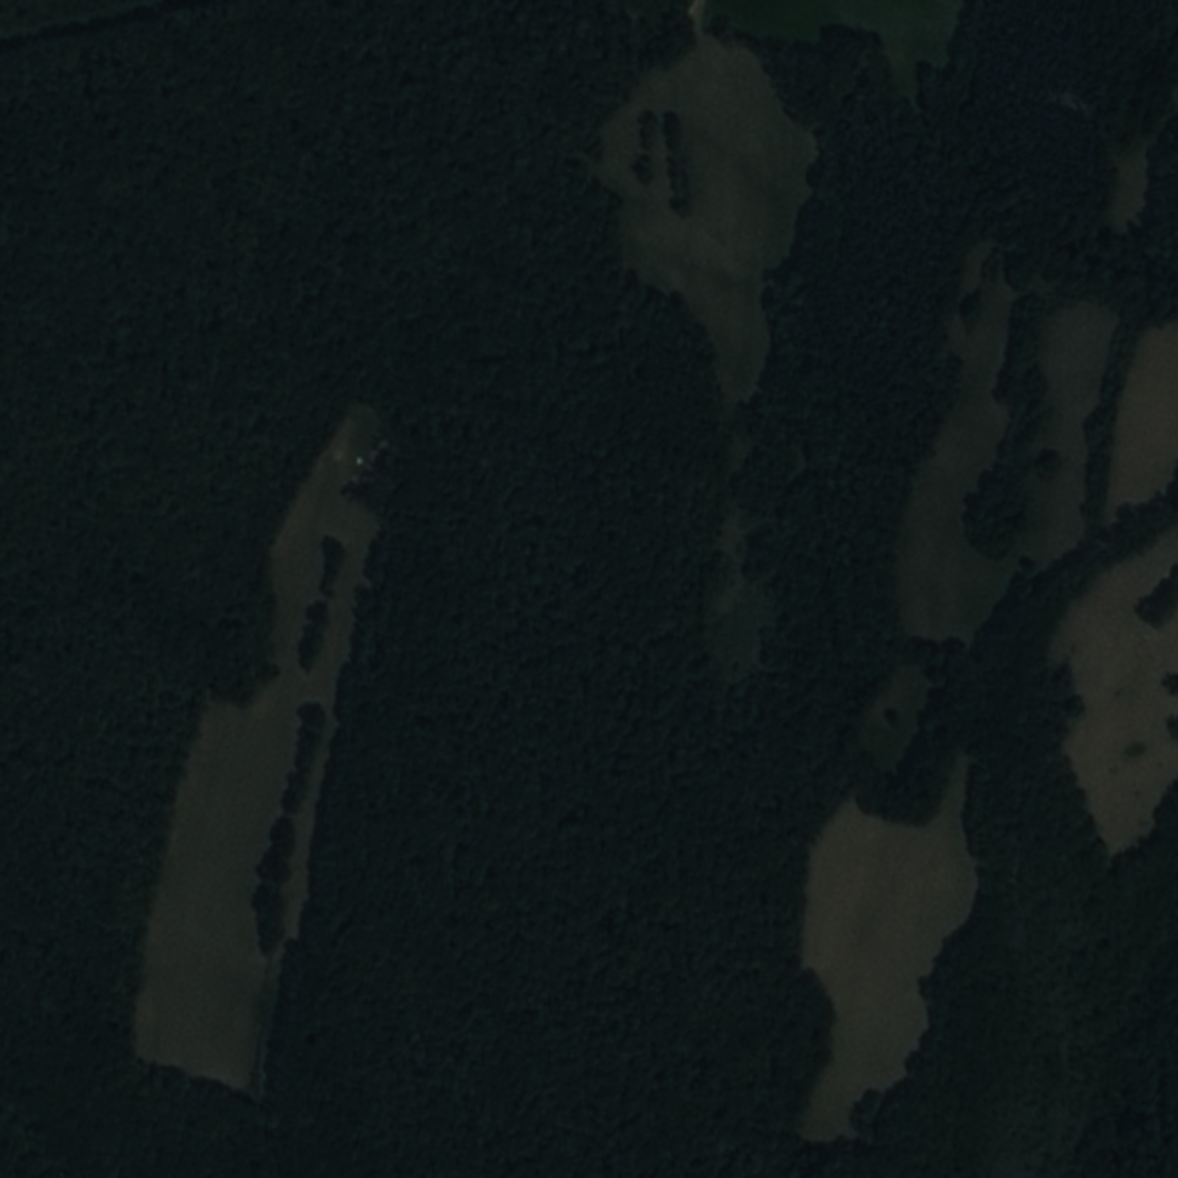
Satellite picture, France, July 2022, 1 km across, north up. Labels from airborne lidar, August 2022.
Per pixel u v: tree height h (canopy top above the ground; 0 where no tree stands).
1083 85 18
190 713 14
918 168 19
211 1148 15
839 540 18
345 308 18
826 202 19
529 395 16
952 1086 14
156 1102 16
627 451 24
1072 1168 9
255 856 0
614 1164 16
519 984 15
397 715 21
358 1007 13
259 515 16
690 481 18
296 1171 17
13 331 15
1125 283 28
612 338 15
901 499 17
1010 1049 11
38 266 16
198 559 14
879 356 19
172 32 20
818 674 11
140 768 14
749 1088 18
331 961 19
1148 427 0
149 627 20
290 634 0
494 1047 18
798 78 23
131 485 14
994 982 15
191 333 20
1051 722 12
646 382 23
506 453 14
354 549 0
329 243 20
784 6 0
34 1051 15
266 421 18
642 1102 19
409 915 17
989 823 15
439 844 19
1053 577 14
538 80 16
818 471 16
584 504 19
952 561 0
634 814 19
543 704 22
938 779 20
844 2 0
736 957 19
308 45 18
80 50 14
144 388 17
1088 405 0
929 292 16
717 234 0
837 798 9
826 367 17
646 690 21
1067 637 0
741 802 17
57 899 16
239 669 21
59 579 24
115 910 17
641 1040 21
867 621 18
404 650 21
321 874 19
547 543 19
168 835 12
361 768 20
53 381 17
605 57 18
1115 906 8
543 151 15
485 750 19
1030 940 8
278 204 17
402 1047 16
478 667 16
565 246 18
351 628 0
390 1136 14
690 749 17
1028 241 19
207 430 13
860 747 14
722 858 19
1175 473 0
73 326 16
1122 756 0
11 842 16
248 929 0
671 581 20
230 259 17
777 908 13
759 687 10
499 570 17
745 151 0
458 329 21
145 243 17
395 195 13
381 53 15
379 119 19
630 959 16
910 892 0
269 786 0
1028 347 17
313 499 0
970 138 21
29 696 18
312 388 17
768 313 13
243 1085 0
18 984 17
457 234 17
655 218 0
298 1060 23
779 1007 12
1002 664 20
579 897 16
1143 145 0
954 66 13
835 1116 0
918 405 17
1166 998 30
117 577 21
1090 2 24
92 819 19
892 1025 0
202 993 0
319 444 15
